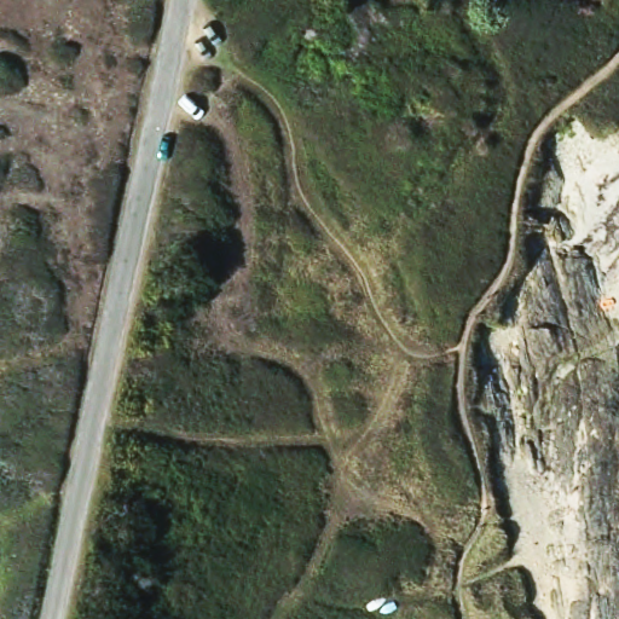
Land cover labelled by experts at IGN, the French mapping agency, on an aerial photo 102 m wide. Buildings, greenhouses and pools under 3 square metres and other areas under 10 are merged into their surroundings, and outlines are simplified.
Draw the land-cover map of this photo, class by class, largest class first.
<instances>
[{"label":"herbaceous vegetation","instance_id":"1","mask_svg":"<svg viewBox=\"0 0 619 619\"><path fill-rule=\"evenodd\" d=\"M128 5V34L133 44L152 46L160 39L164 0H116ZM213 19H218L225 27L222 41L239 51V68L251 73L256 80V89H251L249 85H237L227 109L235 131L249 138L254 145L251 174L256 186L254 208L259 266L251 268L249 280L254 283L261 310H271L278 300L285 314L256 319V326L244 336L251 341L273 339L310 355H319L329 343L353 341L360 331L334 317L326 295L329 290L324 285L310 278H290L285 271V256L317 254L322 249L324 235L317 230L310 215L290 198V169L283 128L273 109L261 99L259 89H266L276 106L283 104L290 116H300L302 123L319 135L322 145L312 143L302 152H297V164H302L310 198L314 201L319 213H329L331 218H336V222L346 230V237L353 244L365 247L368 242L380 237V256L387 264L382 283L387 290H392L389 300L399 314V322L404 326H423L421 339L438 348L442 343H459L472 307L484 297V293L505 264L513 193L532 131L556 104H561L590 75L607 65L612 56L619 51V0H488L491 5L501 7V15L510 22L498 34L476 36L467 17L469 0H203ZM0 39L15 41L17 46L27 48L31 44L29 36L19 29L0 27ZM82 51L80 44L63 39L53 41V58L58 63H75ZM29 85V73L27 63L19 56L0 51V97L24 89ZM575 121H580L592 138L602 140L619 128V68L590 94H585L578 104H573L561 118H556L549 126V131L554 135H566ZM177 138V147L169 155L164 152L157 218L152 225L155 237L147 249V268L143 273L131 334L126 341L123 368L114 394V404L126 416H145L155 411L167 423H177L186 430L203 433L242 435L256 430H314L317 421L312 392L290 365L261 355H235L222 351L218 346V339L213 336V329L203 326L193 317L198 307H210V302L222 293V283L244 264V239L237 230L239 203L232 193V164L227 157L225 140L213 126H203L198 121L186 118L179 131L172 133ZM133 138L121 133L118 145L111 150V164L102 172V177H92V254H73L63 242L51 239L48 230L60 220V213L53 206L31 208L19 203L10 210L15 230L10 232L0 256V343L19 353L31 351V339H22L19 331L56 334L58 339L68 334L70 317L65 283H80L77 273H70V264L85 261L109 266L116 247L123 196L131 177V155ZM46 181L27 150L0 155V193L7 189L44 191ZM89 375V355L87 351L77 348L75 355L63 353L41 358V363L34 368L7 370L0 375V459L15 462L24 472L53 474L48 488L51 505H44L39 496H31L27 481H12L0 472V619H41L63 505V486L70 472V452ZM363 368H358L353 360L339 358L331 360V365L324 370V377L331 387L336 423L348 428L355 423H365L370 411L368 399L363 394L351 392V382L358 377ZM428 394L423 399H413L409 392H404V418L394 428L382 430L380 447L389 452V462L401 476L409 474V467L413 464V452L423 450L440 498L452 496L462 505H467L469 498H481V479L472 445L459 421L457 370L447 363L433 360L428 365ZM138 428L106 426L97 488L92 496L89 517L85 527V537L92 542V546L99 539H109L111 544L118 539H128V515L147 513L155 522V539L147 549L140 551V556L147 559L155 568L152 578H143L138 585L157 588L162 597L169 602L172 614L184 619H271L280 597L297 588L302 575L307 573V566L326 527V505L331 496L319 491V481L334 472V464L324 445L230 447L201 442L196 452H162L152 445L135 442ZM435 556V542L418 522L389 513L387 517H358L339 530L334 556L322 563L312 592L302 597V602L293 609V617L288 619H450V600L404 592V580H428V568L433 566ZM102 595V571L85 554L80 559L68 619H92L97 612V600Z\"/></svg>","mask_w":619,"mask_h":619},{"label":"bare soil","instance_id":"2","mask_svg":"<svg viewBox=\"0 0 619 619\"><path fill-rule=\"evenodd\" d=\"M0 27L19 29L29 36L31 44L27 48L17 46L15 41L0 39V51L19 56L27 63L29 73V85L24 89L0 97V155L27 150L46 181L44 191L7 189L0 193V256L10 232L15 230L10 210L19 203L31 208L53 206L60 213V220L48 230L51 239L63 242L73 254H92V177H102V172L111 164V150L118 145L121 133L133 138L131 155L138 145L143 123L140 109L150 89L152 46L133 44L128 34V5L116 0H0ZM63 39L80 44L82 51L75 63H58L53 58V41ZM520 256L515 259L510 278L505 288L498 293L496 302L486 307L479 317L472 341V365L467 368L464 384L474 428L488 430V484L496 501L501 530L505 532V544L498 554L505 561L510 559L513 566H525L520 571L525 602L517 604L515 597L503 600V607L513 619H619V128L602 140L592 138L580 121H575L566 135H554L549 131L544 133L537 147L532 169L527 174V186L522 193V213L517 227ZM70 273H77L80 283H65L70 317L68 334L58 339L56 334L19 331L22 339H31V351L19 353L0 343V375L7 370L34 368L41 363V358L63 353L75 355L77 348L87 351L89 355L94 351V331L99 326L109 266L85 261L70 264ZM0 472L12 481H27L31 496H39L44 505H51L48 488L53 474L24 472L15 462L0 459Z\"/></svg>","mask_w":619,"mask_h":619},{"label":"pervious surface","instance_id":"3","mask_svg":"<svg viewBox=\"0 0 619 619\"><path fill-rule=\"evenodd\" d=\"M225 27L218 19H213L203 0H164L160 39L152 46L150 89L140 109L143 123L138 145L131 155V177L123 196L116 247L109 266L99 326L94 331V351L89 355V375L70 452V472L63 486V505L41 619H68L80 559L85 554L92 546V542L85 537V527L89 517L92 496L97 488L106 426L138 428L135 442L152 445L162 452H196L201 442L230 447L324 445L334 464V472L319 481V491L331 496L326 505V527L307 566V573L302 575L297 588L280 597L271 619H288L293 617V609L302 602V597L312 592L322 563L334 556L339 530L358 517H387L389 513L418 522L435 542V556L433 566L428 568V580H404V592L450 600V619H513L503 607V600L515 597L517 604L525 602L520 571L525 566H513L510 559L505 561L498 554L505 544V532L501 530L496 501L488 484V430L474 428L464 384L467 368L472 365V341L479 317L486 307L496 302L498 293L505 288L510 278L515 259L520 256L517 227L522 213V193L527 186V174L532 169L537 147L544 133L549 131V126L556 118H561L573 104H578L585 94H590L619 68V51L612 56L607 65L590 75L561 104H556L532 131L513 193L505 264L484 293V297L472 307L459 343H442L438 348L421 339L423 326H404L399 322V314L389 300L392 290H387L382 283L387 264L380 256V237L368 242L365 247L353 244L346 237V230L336 222V218H331L329 213H319L314 201L310 198L302 164H297V152H302L312 143L322 145L319 135L302 123L300 116H290L283 104L276 106L266 89H259L261 99L273 109L283 128L290 169V198L310 215L317 230L324 235L322 249L317 254L285 256V271L290 278H310L324 285L329 290L326 295L334 317L360 331L353 341L329 343L319 355H310L273 339L251 341L244 336L256 326V319L285 314L278 300L271 310H261L254 283L249 280L251 268L259 266L254 208L256 186L251 174L254 145L249 138L235 131L227 109L237 85H249L251 89H256V80L251 73L239 68V51L222 41ZM186 118L198 121L203 126H213L225 140L227 157L232 164V193L239 203L237 230L244 239V264L222 283V293L210 302V307H198L193 317L203 326L213 329V336L218 339V346L222 351L235 355H261L290 365L312 392L317 421L314 430H256L242 435L203 433L186 430L177 423H167L155 411L145 416H126L114 404V394L123 368L126 341L131 334L143 273L147 268V249L155 237L152 225L157 218L164 152L169 155L177 147V138L172 133L179 131ZM339 358L353 360L358 368H363L358 377L351 382V392L363 394L368 399L370 411L365 423H355L348 428L336 423L331 387L324 377V370L331 365V360ZM433 360L447 363L457 370L459 421L472 445L481 479V498H469L467 505H462L452 496L440 498L423 450L413 452V464L409 467V474L401 476L389 462V452L380 447L382 430L394 428L404 418V392H409L413 399H423L428 394V365Z\"/></svg>","mask_w":619,"mask_h":619},{"label":"brushwood","instance_id":"4","mask_svg":"<svg viewBox=\"0 0 619 619\"><path fill-rule=\"evenodd\" d=\"M467 17L476 36L498 34L510 22L501 15V7L491 5L488 0H469ZM128 539H118L111 544L109 539H99L92 546L85 554L102 571V595L97 600V612L92 619H184L172 614L169 602L162 597L157 588L138 585L143 578H152L155 568L147 559L140 556V551L147 549L155 539V522L147 513L128 515Z\"/></svg>","mask_w":619,"mask_h":619}]
</instances>
